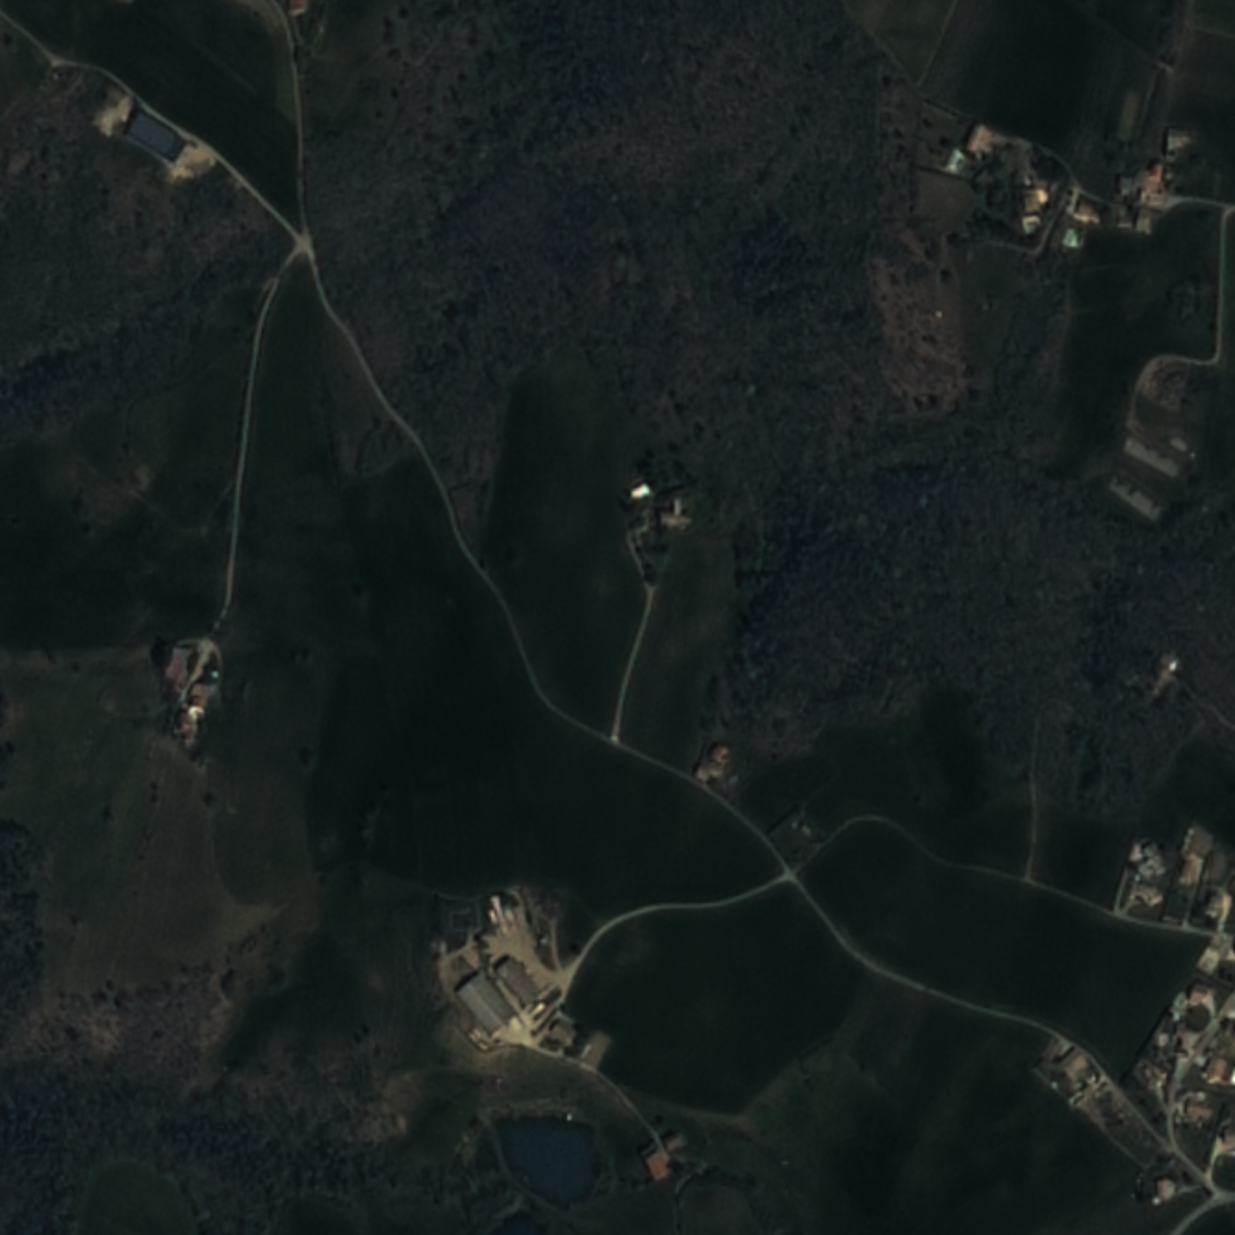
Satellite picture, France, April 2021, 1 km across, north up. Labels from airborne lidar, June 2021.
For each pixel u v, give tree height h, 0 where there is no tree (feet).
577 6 34
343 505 0
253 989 34
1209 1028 0
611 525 0
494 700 0
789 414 94
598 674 0
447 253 37
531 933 0
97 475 0
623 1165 0
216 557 0
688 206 69
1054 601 48
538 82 60
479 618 0
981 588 39
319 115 0
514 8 65
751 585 59
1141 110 0
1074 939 0
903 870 0
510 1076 0
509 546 0
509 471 0
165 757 0
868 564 45
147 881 0
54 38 0
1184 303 37
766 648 71
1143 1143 0
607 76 39
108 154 0
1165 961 0
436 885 0
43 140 38
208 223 20
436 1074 0
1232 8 0
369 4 0
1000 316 0
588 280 48
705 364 51
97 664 0
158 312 74
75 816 0
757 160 33
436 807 0
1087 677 56
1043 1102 0
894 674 38
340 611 0
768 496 24
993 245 27
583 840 0
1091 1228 0
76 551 0
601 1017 0
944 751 0
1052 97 0
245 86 0
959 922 0
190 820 0
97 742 0
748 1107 0
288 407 0
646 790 0
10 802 0
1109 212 41
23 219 43
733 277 34
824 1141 0
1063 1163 0
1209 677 61
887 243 23
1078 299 0
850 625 51
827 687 44
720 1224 0
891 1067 0
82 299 33
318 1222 0
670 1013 0
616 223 49
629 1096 0
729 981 0
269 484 0
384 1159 21
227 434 0
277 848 0
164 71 0
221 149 0
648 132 39
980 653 47
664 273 47
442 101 26
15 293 22
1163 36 27
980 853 0
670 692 0
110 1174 0
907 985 0
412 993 0
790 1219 0
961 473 50
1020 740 29
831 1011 0
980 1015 0
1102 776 31
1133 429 0
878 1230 0
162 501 0
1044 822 0
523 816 0
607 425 0
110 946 0
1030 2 0
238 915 0
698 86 35
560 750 0
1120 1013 0
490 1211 36
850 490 56
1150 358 0
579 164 46
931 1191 0
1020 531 52
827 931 0
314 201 24
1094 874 0
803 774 0
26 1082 41
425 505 0
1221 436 0
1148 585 43
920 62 0
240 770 0
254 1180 42
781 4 39
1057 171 40
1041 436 21
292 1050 0
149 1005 42
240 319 0
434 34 31
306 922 0
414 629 0
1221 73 0
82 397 40
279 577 0
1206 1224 0
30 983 33
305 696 0
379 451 22
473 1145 0
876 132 26
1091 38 0
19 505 0
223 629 26
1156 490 0
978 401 43
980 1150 0
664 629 0
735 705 48
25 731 0
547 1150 0
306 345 0
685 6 47
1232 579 80
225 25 0
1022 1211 0
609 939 0
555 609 0
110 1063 21
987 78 0
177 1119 70
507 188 65
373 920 0
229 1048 0
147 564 0
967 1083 0
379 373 23
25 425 40
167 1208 0
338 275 38
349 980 0
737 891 0
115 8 0
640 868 0
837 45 27
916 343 17
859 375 48
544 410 0
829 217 41
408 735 0
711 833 0
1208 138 0
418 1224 0
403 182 26
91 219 33
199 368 0
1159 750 41
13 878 41
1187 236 0
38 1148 65
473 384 45
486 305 45
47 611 0
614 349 50
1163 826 0
